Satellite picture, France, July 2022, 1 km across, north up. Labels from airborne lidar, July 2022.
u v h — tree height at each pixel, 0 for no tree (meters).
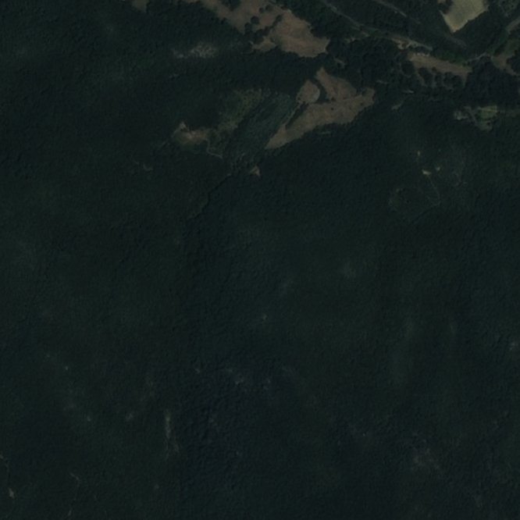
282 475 6
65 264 8
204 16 18
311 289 11
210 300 11
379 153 19
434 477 12
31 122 21
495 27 11
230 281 11
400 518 7
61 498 7
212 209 14
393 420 12
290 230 10
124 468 6
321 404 9
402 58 14
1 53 9
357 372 13
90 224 18
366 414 12
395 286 10
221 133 7
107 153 10
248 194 12
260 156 15
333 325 7
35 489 8
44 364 6
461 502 8
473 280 11
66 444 8
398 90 19
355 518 9
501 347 10
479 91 21
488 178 13
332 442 12
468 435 7
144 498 9
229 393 9
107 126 13
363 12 12
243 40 9
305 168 12
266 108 7
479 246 9
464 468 11
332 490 7
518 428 7
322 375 11
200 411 11
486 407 10
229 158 10
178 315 19
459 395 15
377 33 11
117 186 11
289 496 7
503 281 6
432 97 11
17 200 12
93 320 13
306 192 10
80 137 14
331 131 12
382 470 11
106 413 14
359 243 9
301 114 11
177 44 8
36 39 11
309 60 12
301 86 10
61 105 17
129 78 10
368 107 8
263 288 8
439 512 6
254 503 6
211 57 7
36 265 9
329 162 17
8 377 7
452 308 17
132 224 17
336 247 6
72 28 18
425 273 10
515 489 12
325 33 27
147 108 12
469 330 16
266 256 6
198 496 11
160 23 21
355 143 17
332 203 10
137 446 9
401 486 6
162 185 12
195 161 9
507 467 12
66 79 22
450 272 12
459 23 0
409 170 8
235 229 12
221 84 12
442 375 10
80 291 6
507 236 11
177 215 9
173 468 12
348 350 11
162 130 12
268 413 8
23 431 8
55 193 9
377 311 13
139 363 12
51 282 9
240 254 13
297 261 8
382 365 13
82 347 7
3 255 6
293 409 6
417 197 6
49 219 11
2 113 17
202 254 15
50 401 6
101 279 8
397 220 12
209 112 10
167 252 7
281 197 13
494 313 11
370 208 13
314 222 9
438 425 9
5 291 10
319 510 9
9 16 16
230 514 8
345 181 11
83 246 9
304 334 6
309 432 6
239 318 8
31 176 15
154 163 9
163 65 11
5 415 7
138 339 12
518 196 13
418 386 11
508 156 7
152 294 12
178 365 11
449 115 15
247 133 13
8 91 19
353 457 9
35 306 7
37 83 22
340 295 13
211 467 6
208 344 12
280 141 0
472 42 9
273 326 8
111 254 11
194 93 8
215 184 7
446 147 11
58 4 14
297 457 6
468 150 8
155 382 8
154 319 13
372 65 18
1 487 9
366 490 9
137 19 16
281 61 6
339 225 7
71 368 7
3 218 10
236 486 7
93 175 9
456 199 6
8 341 11
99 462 7
